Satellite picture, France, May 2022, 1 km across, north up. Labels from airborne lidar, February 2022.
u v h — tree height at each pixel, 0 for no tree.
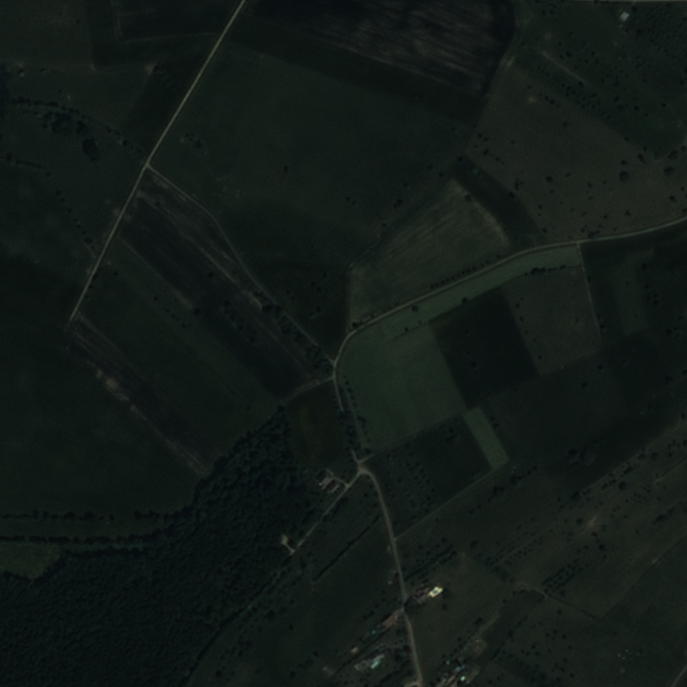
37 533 0
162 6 0
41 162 0
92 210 0
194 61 0
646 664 0
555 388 0
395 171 0
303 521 25
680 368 0
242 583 18
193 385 0
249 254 0
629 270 0
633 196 0
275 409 0
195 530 18
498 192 0
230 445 0
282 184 0
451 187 0
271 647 0
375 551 0
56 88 0
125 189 0
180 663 14
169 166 0
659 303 7
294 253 0
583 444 0
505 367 0
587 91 0
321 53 0
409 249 0
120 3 0
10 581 15
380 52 0
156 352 0
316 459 0
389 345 0
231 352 0
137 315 0
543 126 0
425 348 0
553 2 13
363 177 0
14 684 21
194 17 0
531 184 0
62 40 0
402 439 0
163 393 0
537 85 0
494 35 0
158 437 0
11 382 0
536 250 0
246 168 0
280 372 0
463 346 0
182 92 0
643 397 0
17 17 0
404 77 0
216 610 14
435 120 0
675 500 0
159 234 0
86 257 0
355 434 15
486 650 0
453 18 0
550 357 0
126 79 0
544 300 0
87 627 24
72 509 0
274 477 30
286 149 0
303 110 0
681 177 0
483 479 0
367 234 0
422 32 0
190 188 0
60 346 0
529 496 0
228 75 0
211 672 0
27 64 0
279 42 0
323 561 0
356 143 0
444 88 0
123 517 0
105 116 0
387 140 0
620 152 0
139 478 0
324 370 10
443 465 0
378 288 0
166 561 21
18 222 0
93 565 17
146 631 23
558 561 0
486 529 0
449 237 0
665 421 0
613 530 0
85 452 0
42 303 0
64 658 22
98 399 0
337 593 0
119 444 0
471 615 0
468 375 0
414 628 0
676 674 0
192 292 0
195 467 0
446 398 0
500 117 0
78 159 0
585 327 0
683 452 0
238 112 0
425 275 0
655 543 0
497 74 0
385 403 0
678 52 0
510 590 0
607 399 0
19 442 0
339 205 0
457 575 0
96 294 0
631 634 0
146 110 0
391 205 0
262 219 0
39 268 0
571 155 0
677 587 0
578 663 0
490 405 0
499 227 0
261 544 22
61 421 0
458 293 0
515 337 0
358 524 0
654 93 0
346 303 0
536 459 0
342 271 0
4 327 0
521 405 0
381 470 0
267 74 0
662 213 0
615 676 0
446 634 0
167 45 0
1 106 37
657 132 0
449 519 0
